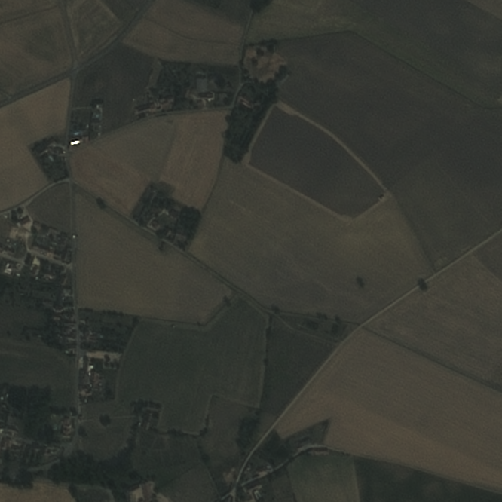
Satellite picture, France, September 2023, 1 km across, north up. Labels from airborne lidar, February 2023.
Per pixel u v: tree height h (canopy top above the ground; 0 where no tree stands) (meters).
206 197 0
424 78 0
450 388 0
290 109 0
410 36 0
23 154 0
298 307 0
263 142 0
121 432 0
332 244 0
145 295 0
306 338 0
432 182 0
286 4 0
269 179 0
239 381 0
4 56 0
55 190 0
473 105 0
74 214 0
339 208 0
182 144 0
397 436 0
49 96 0
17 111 0
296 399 0
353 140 0
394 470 0
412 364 0
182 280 0
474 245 0
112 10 0
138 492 0
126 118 0
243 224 0
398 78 0
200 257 0
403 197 0
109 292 0
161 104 0
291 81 0
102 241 0
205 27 0
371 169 0
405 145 0
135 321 9
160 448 0
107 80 0
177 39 0
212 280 0
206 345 0
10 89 0
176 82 6
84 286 0
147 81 0
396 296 0
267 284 0
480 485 0
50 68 0
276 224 0
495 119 0
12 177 0
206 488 0
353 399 0
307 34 0
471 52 0
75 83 0
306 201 0
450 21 0
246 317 0
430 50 0
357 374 0
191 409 0
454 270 0
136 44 0
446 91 0
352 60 0
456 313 0
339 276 0
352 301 0
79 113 0
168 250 0
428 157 0
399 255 0
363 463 0
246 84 0
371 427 0
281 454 0
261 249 0
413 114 0
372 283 0
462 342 0
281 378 0
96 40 0
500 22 0
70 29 0
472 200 0
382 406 0
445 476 0
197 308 0
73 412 9
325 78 0
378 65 0
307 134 0
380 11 0
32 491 0
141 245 0
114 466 18
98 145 0
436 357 0
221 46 0
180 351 0
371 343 0
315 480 0
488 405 0
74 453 0
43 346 0
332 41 0
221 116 0
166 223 0
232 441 0
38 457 6
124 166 0
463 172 0
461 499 0
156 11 0
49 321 10
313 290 0
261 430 0
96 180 0
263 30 0
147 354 0
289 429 0
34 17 0
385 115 0
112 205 0
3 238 0
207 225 0
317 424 0
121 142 0
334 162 0
